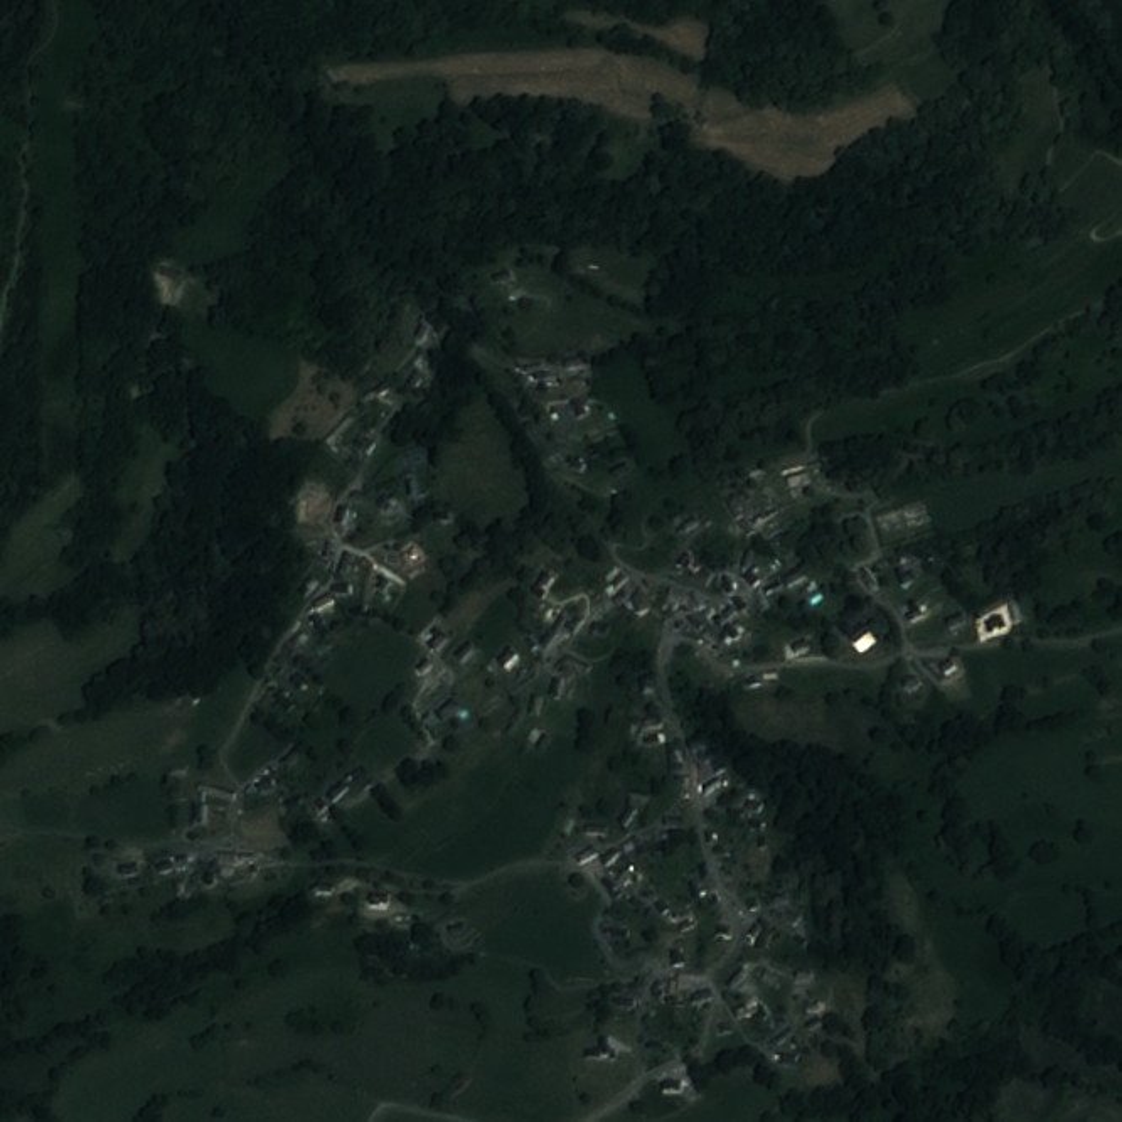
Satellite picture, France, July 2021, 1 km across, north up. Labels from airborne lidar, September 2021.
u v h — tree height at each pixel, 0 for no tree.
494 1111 0
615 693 0
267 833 0
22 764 0
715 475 16
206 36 20
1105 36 23
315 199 25
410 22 19
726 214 21
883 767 0
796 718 0
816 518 11
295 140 10
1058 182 20
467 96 0
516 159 22
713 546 0
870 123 0
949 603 0
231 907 8
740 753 12
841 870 20
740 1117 0
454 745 12
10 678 0
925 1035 12
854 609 16
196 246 0
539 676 0
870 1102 24
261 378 0
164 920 14
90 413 9
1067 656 0
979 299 0
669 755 0
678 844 14
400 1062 0
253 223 7
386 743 0
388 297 7
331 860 13
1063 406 0
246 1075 0
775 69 19
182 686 25
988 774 0
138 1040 0
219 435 28
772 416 23
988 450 18
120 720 0
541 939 0
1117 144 16
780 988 0
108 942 0
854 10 0
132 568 15
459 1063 0
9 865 0
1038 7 18
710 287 26
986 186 23
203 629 26
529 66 0
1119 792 0
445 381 16
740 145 0
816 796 15
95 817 0
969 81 21
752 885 6
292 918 18
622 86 0
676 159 6
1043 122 0
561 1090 0
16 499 22
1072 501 13
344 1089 0
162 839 0
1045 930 0
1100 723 0
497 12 21
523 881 0
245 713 0
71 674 0
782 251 20
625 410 0
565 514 18
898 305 19
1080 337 20
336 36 21
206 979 11
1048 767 0
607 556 0
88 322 23
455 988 0
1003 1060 18
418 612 0
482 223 14
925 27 0
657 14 11
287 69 17
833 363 13
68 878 0
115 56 13
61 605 17
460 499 0
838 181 17
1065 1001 11
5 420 16
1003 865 21
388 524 0
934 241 20
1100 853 0
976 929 0
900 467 19
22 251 9
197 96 18
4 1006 7
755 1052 16
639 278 0
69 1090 0
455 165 19
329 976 0
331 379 11
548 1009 0
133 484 0
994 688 0
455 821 0
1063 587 0
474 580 14
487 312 20
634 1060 0
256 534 22
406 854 0
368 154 20
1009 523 18
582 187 9
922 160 24
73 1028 13
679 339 15
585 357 8
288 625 9
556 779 0
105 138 12
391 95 0
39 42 11
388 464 0
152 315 23
